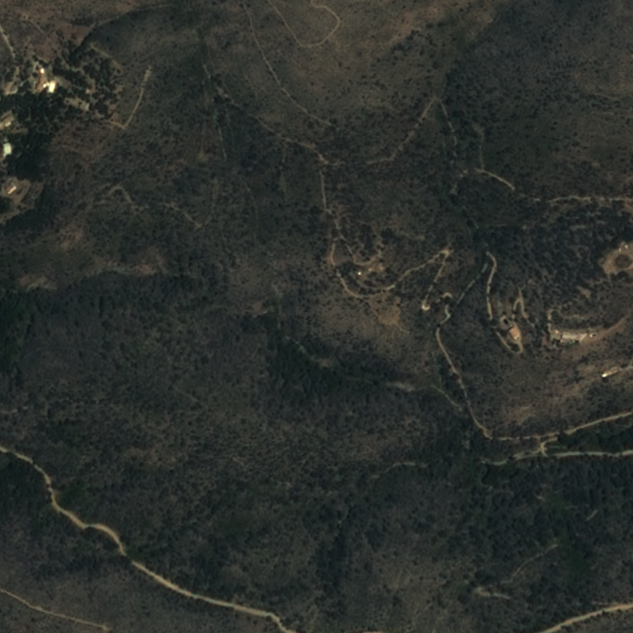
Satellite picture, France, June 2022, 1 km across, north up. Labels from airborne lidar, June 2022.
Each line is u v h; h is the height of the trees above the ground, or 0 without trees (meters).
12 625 0
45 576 7
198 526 15
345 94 7
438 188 13
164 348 10
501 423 7
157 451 8
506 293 10
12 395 14
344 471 16
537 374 0
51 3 0
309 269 9
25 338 6
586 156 0
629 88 0
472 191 14
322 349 8
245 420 10
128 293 11
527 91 6
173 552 11
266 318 12
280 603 9
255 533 14
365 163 11
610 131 0
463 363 8
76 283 13
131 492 10
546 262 11
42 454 9
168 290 12
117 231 9
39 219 13
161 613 0
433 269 10
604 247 12
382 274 0
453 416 8
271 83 0
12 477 12
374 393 6
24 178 13
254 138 10
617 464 11
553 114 9
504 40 0
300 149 10
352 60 0
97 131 0
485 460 17
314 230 13
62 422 11
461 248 8
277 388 15
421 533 10
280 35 0
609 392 8
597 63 6
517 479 14
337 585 10
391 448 10
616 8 0
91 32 6
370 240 12
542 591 16
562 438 14
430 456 10
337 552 13
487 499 12
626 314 0
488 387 0
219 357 12
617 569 0
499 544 12
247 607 0
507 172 10
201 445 13
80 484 12
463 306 9
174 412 11
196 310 9
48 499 6
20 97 11
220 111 8
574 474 10
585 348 0
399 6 0
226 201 13
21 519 9
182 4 0
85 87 10
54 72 10
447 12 0
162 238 10
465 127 10
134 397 12
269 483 13
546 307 6
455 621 9
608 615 7
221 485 13
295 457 10
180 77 9
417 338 11
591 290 6
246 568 11
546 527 14
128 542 10
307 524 10
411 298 11
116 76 7
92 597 12
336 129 12
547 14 0
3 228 10
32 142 9
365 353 12
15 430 16
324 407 15
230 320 9
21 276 9
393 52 8
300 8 0
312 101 0
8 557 13
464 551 10
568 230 11
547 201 13
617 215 9
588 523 12
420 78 0
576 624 6
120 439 11
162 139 10
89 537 14
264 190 0
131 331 12
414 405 15
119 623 0
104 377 12
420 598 0
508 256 10
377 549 11
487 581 9
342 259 0
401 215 9
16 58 7
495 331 8
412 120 9
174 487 7
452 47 0
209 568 13
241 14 0
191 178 9
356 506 7
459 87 11
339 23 0
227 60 0
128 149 10
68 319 7
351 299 9
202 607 9
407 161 9
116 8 0
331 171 10
